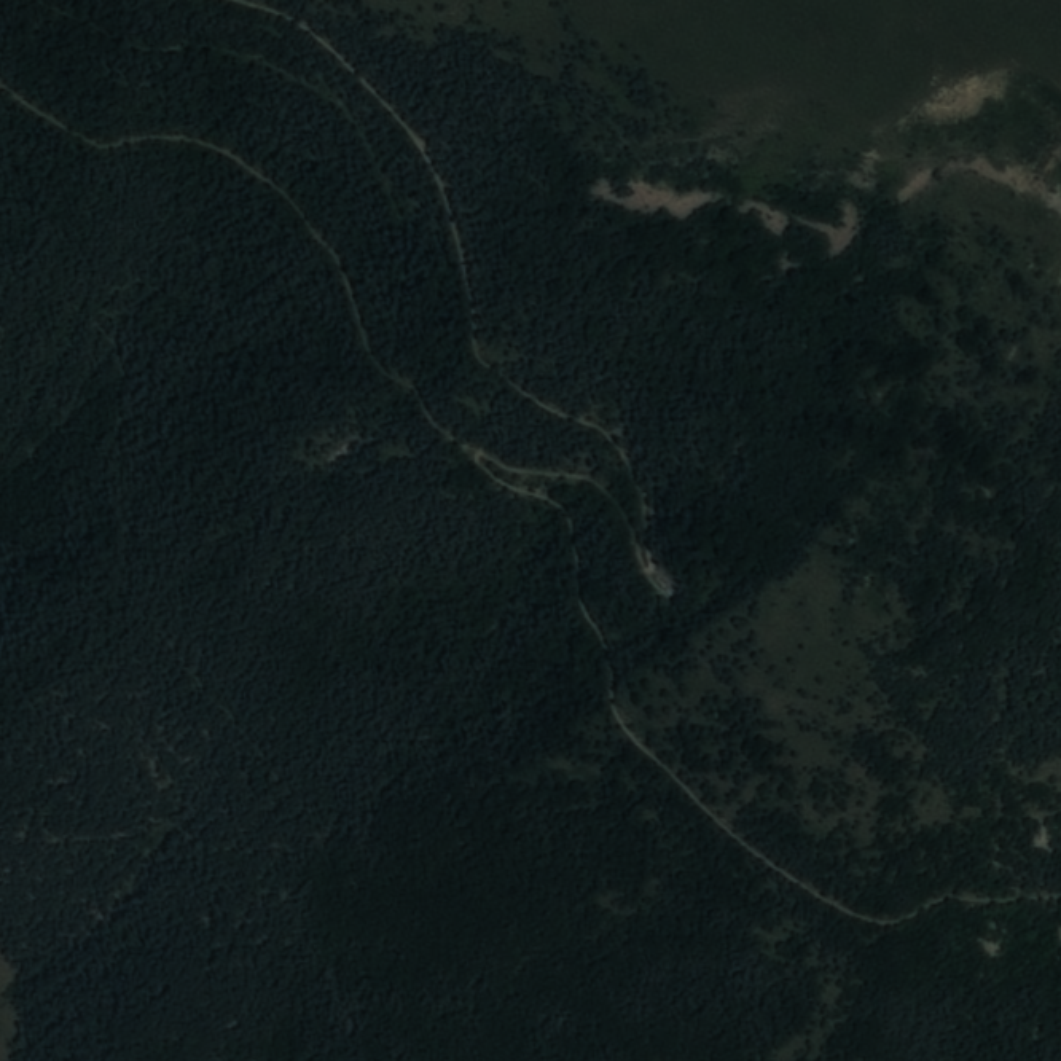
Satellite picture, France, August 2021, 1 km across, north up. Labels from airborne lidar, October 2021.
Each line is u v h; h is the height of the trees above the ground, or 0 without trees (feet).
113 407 27
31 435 31
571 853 37
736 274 23
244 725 28
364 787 48
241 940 41
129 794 42
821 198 18
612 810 42
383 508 45
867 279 20
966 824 25
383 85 31
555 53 22
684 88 0
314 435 25
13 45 37
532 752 25
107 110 42
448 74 40
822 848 32
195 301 27
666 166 27
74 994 50
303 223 37
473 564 35
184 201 63
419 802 46
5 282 43
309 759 44
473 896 46
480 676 49
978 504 21
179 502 51
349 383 49
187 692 29
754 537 18
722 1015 37
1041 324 20
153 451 47
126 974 38
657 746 27
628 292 35
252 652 46
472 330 23
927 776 32
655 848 38
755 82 0
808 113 0
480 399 42
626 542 18
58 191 41
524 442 45
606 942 33
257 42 45
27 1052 25
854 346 46
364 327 24
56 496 34
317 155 44
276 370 49
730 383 36
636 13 0
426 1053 44
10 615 53
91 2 34
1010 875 28
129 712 30
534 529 33
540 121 31
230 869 41
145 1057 37
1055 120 0
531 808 27
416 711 38
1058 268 0
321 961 35
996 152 0
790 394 35
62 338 29
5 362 46
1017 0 0
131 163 47
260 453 43
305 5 33
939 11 0
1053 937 39
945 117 0
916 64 0
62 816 38
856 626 0
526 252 24
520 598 35
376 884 32
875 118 0
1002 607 40
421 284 61
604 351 40
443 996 48
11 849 29
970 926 45
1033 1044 25
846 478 25
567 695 33
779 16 0
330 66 38
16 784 34
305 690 42
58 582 77
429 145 28
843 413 32
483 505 27
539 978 38
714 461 21
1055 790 20
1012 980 23
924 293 41
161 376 38
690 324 51
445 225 31
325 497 33
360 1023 41
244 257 66
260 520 29
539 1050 38
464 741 41
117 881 41
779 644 0
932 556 35
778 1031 37
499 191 23
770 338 21
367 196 44
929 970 29
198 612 39
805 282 43
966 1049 51
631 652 37
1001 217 0
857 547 21
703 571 45
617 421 27
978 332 32
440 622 30
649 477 27
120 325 32
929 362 39
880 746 27
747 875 33
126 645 33
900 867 32
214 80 47
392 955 36
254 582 34
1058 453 40
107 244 46
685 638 26
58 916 24
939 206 0
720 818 18
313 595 30
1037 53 0
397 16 23
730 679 38
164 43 52
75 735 42
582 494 20
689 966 43
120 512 43
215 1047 43
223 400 41
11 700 31
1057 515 37
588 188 20
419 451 43
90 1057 36
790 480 27
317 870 45
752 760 28
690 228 21
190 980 41
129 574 34
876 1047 35
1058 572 36
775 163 0
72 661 41
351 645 37
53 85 45
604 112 22
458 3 0
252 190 70
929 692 26
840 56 0
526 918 39
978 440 18
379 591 39
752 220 22
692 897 30
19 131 33
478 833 35
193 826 32
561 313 40
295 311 45
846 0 0
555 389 47
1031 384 32
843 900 31
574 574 42
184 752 32
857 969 22
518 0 0
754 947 42
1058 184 0
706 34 0
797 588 0
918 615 37
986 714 44
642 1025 40
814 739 0
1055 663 35
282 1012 36
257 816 29
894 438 36
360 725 39
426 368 36
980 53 0
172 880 50
